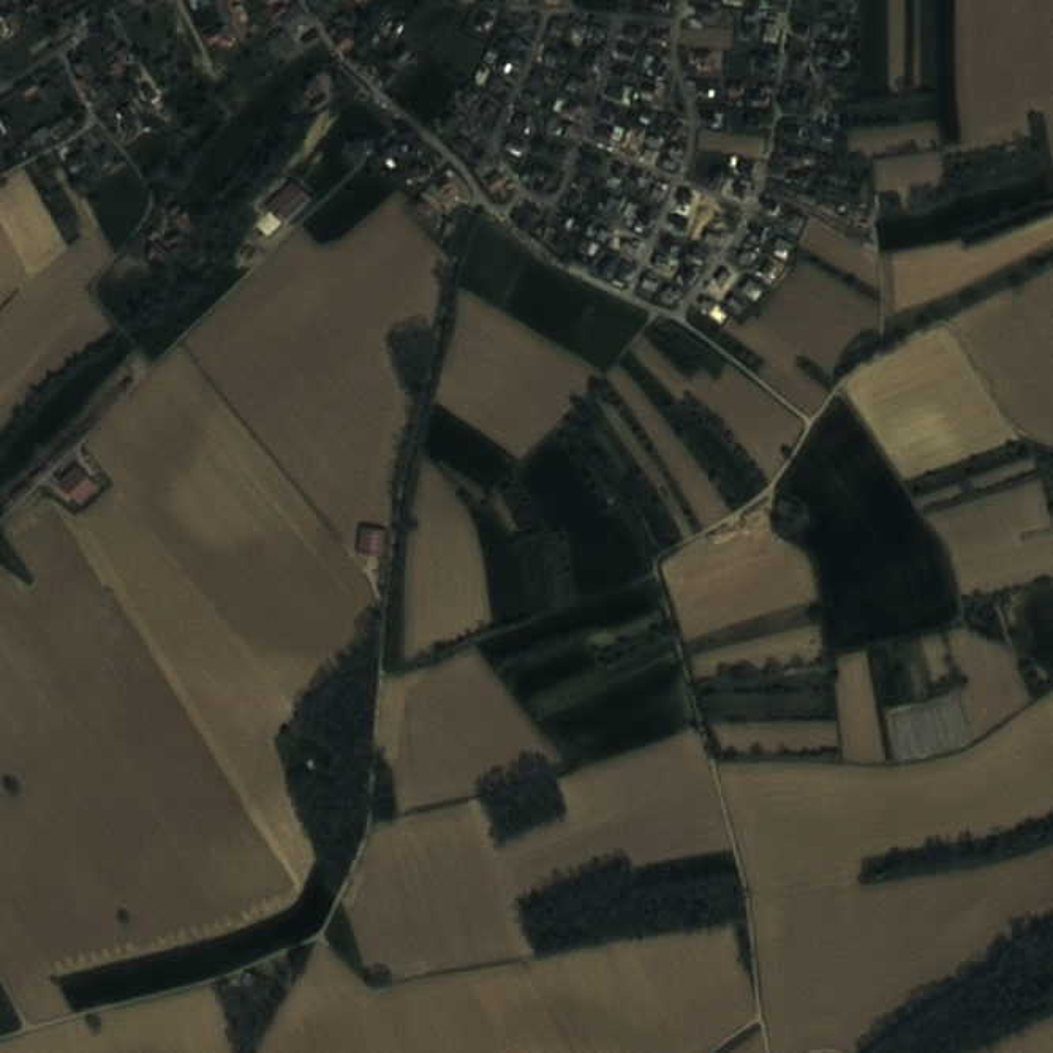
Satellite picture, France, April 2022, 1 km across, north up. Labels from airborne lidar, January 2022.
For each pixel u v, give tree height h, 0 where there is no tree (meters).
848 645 0
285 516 0
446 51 0
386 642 19
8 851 0
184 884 0
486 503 7
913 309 0
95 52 0
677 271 0
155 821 0
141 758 0
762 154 0
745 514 0
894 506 0
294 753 0
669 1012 0
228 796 0
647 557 11
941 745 0
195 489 0
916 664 0
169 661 0
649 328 0
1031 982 24
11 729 0
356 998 0
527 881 0
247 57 6
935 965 0
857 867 0
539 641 0
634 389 0
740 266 0
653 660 0
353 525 0
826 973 0
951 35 0
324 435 0
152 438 0
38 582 0
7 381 0
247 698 0
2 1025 0
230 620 0
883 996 0
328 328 0
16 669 0
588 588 0
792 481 0
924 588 0
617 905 25
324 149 0
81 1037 0
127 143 0
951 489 0
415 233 0
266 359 0
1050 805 0
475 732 0
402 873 0
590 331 0
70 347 0
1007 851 20
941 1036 24
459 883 0
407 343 22
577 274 0
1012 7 0
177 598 0
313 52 0
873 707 0
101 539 0
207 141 9
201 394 0
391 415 0
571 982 0
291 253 0
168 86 6
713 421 7
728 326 0
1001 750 0
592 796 0
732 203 0
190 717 0
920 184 0
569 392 0
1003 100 0
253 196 8
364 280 0
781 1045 0
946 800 0
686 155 0
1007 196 0
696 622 0
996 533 0
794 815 0
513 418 0
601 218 0
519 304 0
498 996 0
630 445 0
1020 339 0
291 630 0
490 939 0
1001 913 0
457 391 0
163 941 0
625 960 0
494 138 0
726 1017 0
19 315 0
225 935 0
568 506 0
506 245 0
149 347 0
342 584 0
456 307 13
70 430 0
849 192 6
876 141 0
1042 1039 0
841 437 0
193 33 0
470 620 0
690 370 11
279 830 0
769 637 0
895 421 0
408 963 0
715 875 24
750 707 0
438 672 0
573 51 13
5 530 0
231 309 0
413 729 0
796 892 0
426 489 0
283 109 0
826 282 0
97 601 0
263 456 0
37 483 0
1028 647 0
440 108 0
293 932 0
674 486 0
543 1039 0
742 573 0
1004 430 0
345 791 20
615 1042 0
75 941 0
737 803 0
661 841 0
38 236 0
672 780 0
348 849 23
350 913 0
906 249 0
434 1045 0
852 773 0
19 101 0
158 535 0
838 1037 0
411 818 0
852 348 0
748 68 0
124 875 0
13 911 0
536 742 0
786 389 0
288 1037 0
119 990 0
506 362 0
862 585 0
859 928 0
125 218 0
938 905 0
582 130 0
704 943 0
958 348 0
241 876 0
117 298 0
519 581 0
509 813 27
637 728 0
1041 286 0
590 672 0
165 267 13
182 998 0
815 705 0
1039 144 8
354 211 0
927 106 0
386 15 23
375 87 0
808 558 0
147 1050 0
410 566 0
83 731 0
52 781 0
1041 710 0
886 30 0
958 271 0
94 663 0
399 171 7
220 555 0
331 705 21
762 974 0
